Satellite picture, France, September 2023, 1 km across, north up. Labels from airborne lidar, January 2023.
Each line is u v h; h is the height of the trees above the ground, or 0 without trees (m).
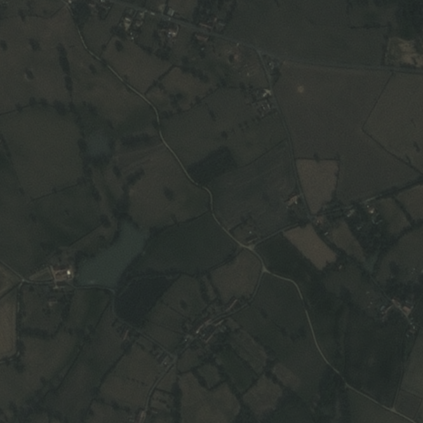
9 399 0
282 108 0
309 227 0
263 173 0
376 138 0
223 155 12
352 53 0
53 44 0
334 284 0
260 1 0
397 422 0
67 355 0
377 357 0
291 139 0
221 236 0
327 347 0
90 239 0
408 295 7
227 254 0
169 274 12
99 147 0
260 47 0
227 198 0
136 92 0
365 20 0
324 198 0
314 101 0
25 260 0
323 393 23
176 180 0
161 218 0
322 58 0
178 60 0
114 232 0
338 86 0
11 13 0
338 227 0
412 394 0
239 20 0
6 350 0
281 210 0
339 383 22
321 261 0
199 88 0
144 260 0
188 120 0
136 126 0
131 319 14
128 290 7
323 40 0
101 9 10
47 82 0
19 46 0
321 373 0
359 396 0
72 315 0
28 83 0
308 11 0
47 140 0
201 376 7
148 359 0
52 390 11
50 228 0
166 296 0
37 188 0
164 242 0
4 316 0
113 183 0
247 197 0
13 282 0
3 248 0
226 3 0
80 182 14
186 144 0
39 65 0
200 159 0
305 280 0
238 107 0
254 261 0
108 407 0
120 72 0
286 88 0
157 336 0
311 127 0
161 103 0
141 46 7
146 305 9
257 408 0
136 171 0
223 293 0
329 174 0
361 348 0
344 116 0
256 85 0
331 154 0
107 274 0
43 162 0
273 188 0
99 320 0
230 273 0
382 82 0
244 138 0
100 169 0
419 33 12
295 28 0
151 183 0
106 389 0
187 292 0
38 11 0
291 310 0
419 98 0
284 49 0
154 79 0
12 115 0
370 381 0
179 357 9
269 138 0
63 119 0
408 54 0
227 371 0
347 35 0
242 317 0
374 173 0
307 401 0
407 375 0
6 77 0
